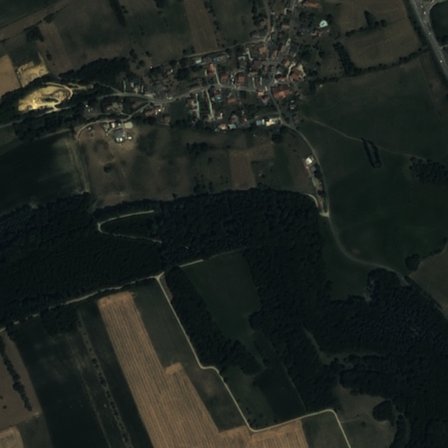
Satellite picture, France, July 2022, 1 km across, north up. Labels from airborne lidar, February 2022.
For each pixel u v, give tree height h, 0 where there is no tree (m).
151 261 8
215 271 0
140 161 0
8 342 0
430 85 0
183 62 14
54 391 0
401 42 0
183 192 0
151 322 0
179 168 0
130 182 0
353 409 0
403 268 0
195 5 0
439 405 16
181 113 0
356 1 0
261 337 0
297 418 0
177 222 21
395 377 27
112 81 6
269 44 0
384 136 0
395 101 0
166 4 9
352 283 0
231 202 26
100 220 24
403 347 22
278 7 0
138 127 0
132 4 0
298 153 0
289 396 0
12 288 9
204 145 15
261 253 16
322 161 0
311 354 19
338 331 30
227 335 0
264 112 0
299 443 0
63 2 0
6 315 15
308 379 19
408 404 21
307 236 29
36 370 0
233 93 0
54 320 16
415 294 11
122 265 6
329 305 25
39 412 0
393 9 0
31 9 0
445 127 0
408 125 0
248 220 29
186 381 0
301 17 9
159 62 0
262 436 0
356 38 0
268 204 22
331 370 19
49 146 0
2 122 7
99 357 0
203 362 10
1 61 0
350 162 0
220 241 28
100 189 0
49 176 0
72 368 0
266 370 0
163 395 0
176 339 0
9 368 11
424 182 11
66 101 8
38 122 11
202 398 0
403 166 0
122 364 0
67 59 0
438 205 0
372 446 0
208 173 0
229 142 0
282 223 18
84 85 9
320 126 0
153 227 28
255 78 0
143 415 0
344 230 0
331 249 0
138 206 21
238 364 13
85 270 6
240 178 0
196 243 25
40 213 21
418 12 0
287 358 17
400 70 0
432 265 0
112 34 0
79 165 0
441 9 0
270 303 12
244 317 0
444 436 34
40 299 19
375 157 0
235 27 0
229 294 0
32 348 0
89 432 0
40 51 0
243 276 0
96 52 0
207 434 0
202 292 0
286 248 28
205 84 7
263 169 0
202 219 33
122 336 0
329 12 0
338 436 0
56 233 19
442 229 0
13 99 9
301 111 0
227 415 0
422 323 21
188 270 0
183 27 0
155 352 0
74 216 24
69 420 0
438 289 0
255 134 0
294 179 0
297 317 22
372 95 0
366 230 0
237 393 0
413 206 0
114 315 0
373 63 0
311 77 16
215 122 0
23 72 0
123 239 7
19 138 8
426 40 0
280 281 17
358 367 18
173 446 0
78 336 0
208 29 0
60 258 7
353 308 26
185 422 0
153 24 0
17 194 0
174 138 0
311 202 16
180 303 21
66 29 0
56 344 0
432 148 0
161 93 0
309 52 9
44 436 0
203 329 21
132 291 0
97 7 0
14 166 0
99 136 0
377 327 28
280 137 12
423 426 14
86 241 6
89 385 0
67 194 0
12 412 0
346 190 0
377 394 16
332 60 0
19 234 20
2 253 33
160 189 0
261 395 0
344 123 0
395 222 0
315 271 27
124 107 0
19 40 0
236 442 0
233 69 0
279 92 0
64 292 6
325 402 20
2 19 0
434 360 14
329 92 0
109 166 0
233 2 0
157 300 0
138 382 0
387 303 27
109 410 0
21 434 0
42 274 6
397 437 14
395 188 0
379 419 12
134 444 0
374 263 0
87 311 0
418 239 0
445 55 0
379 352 15
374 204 0
